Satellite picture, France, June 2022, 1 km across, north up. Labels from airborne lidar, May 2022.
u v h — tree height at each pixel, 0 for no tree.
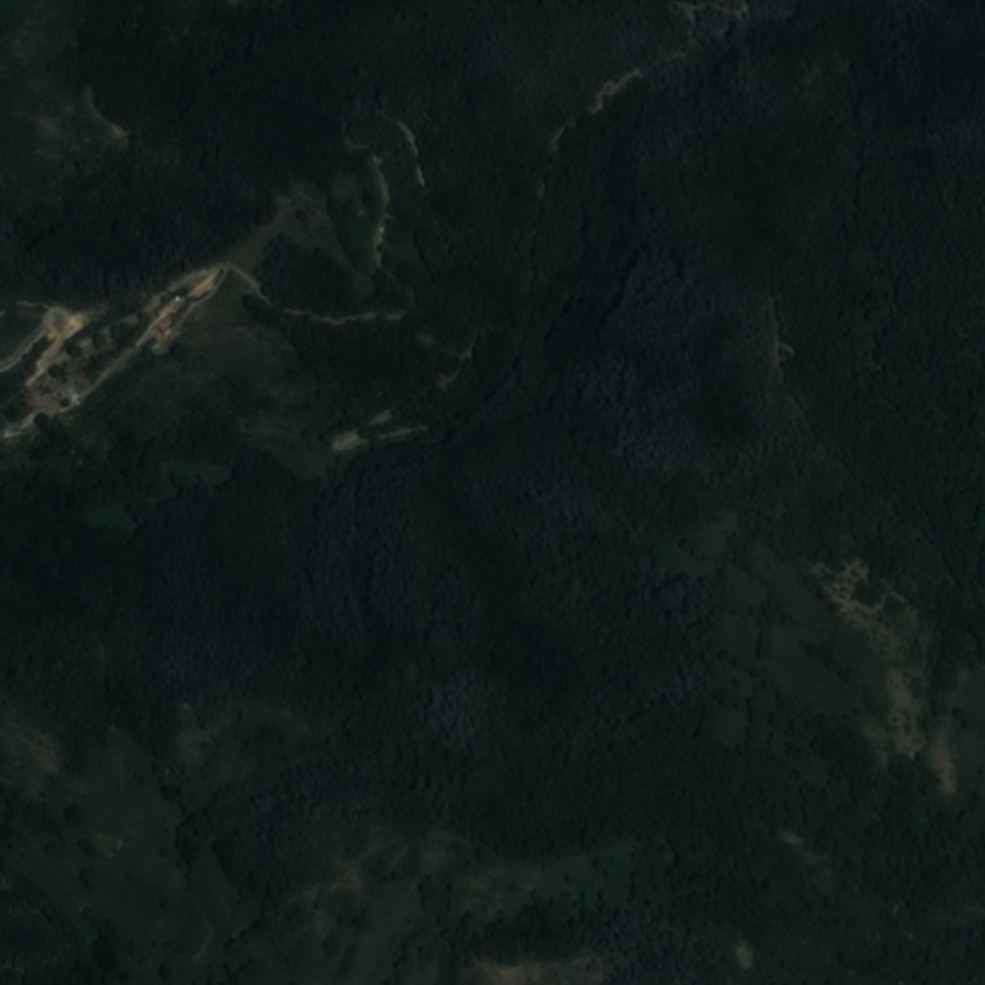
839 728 8
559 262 21
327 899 0
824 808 13
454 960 6
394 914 0
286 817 12
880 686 0
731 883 7
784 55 25
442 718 15
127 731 7
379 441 13
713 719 14
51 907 21
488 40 20
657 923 8
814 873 8
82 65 19
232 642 24
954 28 21
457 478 18
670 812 12
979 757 0
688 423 19
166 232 15
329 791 15
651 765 21
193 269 8
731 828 9
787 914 7
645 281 39
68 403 9
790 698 9
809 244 19
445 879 0
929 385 13
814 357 18
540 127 17
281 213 8
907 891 8
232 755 0
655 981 14
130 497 24
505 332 19
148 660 25
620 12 15
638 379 15
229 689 13
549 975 0
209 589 31
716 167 19
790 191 21
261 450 6
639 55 13
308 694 17
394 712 15
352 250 14
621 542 7
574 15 18
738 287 16
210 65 24
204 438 27
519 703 24
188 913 0
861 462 16
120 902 0
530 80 16
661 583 16
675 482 7
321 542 33
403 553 19
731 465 9
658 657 16
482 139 17
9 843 14
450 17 17
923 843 14
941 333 11
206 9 18
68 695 7
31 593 20
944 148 15
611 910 10
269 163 14
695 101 30
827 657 9
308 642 19
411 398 18
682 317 32
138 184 14
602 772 17
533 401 22
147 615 30
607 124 15
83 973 23
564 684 22
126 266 17
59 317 0
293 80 21
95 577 28
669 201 14
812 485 14
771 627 8
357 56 14
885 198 15
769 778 13
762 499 12
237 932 0
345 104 19
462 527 15
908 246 15
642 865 7
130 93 14
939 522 17
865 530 14
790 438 15
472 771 14
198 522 26
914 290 17
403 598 32
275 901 9
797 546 9
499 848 14
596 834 12
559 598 14
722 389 15
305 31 30
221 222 15
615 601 14
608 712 12
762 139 26
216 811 11
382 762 15
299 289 14
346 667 17
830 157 23
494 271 21
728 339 20
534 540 12
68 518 27
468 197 23
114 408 7
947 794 0
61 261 19
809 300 14
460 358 8
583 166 22
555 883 0
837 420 22
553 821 22
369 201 13
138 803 0
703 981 10
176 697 13
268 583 19
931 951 9
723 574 10
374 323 10
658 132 20
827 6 21
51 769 0
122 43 22
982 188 12
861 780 13
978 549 18
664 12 19
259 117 22
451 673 15
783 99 20
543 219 19
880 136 21
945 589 9
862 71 31
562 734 12
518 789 19
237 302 0
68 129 8
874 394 18
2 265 14
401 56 19
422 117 17
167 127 15
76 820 13
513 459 21
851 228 21
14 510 31
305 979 0
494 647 12
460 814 13
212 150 16
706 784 18
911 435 14
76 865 0
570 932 12
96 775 0
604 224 22
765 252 15
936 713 10
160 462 17
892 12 18
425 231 14
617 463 12
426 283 19
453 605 33
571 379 19
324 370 22
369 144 13
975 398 11
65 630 10
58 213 16
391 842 0
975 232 9
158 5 20
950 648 18
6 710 6
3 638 10
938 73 22
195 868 13
